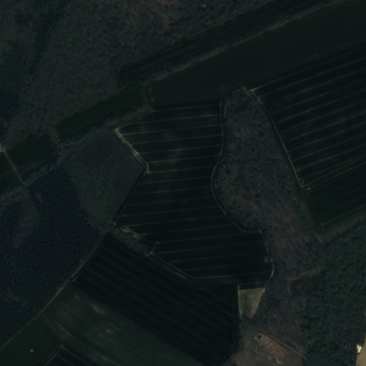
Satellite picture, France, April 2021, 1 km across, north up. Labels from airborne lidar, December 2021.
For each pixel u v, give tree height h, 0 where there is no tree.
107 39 28
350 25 0
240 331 21
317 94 0
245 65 0
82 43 29
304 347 28
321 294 10
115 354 0
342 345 20
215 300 0
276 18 0
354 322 27
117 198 21
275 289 28
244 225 9
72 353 0
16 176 0
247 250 0
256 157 20
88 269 0
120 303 0
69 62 28
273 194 23
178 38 17
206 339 0
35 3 18
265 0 19
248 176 13
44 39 22
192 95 0
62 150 28
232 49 0
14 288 32
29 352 0
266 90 0
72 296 0
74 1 23
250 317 0
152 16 25
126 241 11
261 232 0
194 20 24
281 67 0
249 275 0
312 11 20
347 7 0
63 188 34
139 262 0
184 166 0
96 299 0
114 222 0
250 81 0
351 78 0
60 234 31
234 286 0
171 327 0
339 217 0
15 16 17
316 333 22
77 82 31
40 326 0
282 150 0
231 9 12
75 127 0
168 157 0
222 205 0
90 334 0
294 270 26
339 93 0
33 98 20
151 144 0
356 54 0
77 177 28
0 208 26
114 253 0
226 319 0
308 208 0
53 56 25
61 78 28
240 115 20
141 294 0
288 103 0
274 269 0
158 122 0
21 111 23
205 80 0
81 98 29
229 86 0
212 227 0
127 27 12
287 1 0
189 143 0
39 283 34
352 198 0
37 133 24
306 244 24
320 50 0
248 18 0
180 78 0
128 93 0
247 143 11
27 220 18
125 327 0
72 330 0
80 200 25
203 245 0
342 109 0
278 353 0
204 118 0
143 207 0
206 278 0
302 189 0
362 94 0
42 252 34
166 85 0
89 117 0
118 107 0
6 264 33
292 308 28
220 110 0
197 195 0
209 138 0
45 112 28
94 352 0
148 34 14
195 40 0
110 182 25
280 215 25
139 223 0
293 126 0
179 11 22
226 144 0
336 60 0
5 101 30
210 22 17
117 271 0
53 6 21
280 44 0
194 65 0
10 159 0
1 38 23
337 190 0
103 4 26
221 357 0
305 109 0
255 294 0
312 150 0
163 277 0
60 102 30
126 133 0
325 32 0
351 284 23
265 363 0
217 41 0
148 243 0
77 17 26
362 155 0
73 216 28
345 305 23
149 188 0
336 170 0
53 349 0
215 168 0
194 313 0
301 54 0
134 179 18
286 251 24
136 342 0
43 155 0
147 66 0
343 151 0
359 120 0
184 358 0
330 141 0
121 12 27
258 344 0
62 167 22
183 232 0
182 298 0
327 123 0
